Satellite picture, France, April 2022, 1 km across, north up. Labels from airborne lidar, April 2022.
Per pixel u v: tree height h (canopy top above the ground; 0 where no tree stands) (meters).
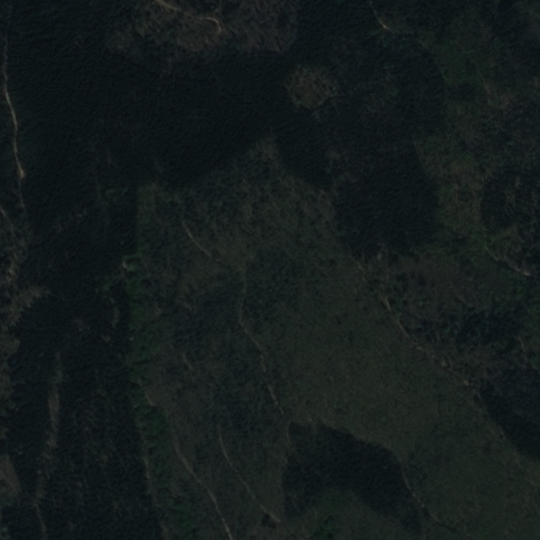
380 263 19
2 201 10
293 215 19
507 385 19
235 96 22
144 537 27
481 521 16
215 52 21
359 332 22
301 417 15
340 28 22
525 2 16
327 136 24
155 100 23
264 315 18
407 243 25
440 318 12
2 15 11
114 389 24
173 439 16
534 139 21
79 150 26
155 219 23
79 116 20
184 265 18
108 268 25
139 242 22
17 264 19
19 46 24
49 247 24
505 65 26
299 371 17
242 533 9
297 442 16
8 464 19
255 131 26
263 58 24
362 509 22
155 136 24
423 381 18
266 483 13
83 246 23
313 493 26
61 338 28
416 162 26
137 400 22
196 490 21
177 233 18
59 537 25
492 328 19
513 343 8
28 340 24
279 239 23
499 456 20
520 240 14
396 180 29
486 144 25
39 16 22
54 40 23
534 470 23
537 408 24
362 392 22
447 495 13
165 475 21
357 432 19
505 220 26
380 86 23
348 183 22
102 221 23
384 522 19
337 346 22
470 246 22
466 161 24
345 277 17
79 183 24
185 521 23
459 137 24
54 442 22
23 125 12
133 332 22
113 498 26
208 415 21
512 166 22
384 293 16
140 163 26
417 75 26
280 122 22
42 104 24
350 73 20
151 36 16
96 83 26
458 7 26
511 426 17
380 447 25
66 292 23
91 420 32
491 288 22
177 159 22
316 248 19
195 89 24
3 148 12
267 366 14
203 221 15
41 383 28
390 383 18
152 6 12
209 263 19
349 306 21
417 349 16
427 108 32
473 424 16
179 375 20
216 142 28
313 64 18
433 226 27
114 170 25
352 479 28
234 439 16
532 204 26
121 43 14
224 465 16
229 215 14
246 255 24
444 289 18
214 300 24
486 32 24
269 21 38
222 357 20
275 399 16
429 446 16
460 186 22
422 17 21
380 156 32
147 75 25
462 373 16
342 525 21
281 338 20
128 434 27
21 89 21
